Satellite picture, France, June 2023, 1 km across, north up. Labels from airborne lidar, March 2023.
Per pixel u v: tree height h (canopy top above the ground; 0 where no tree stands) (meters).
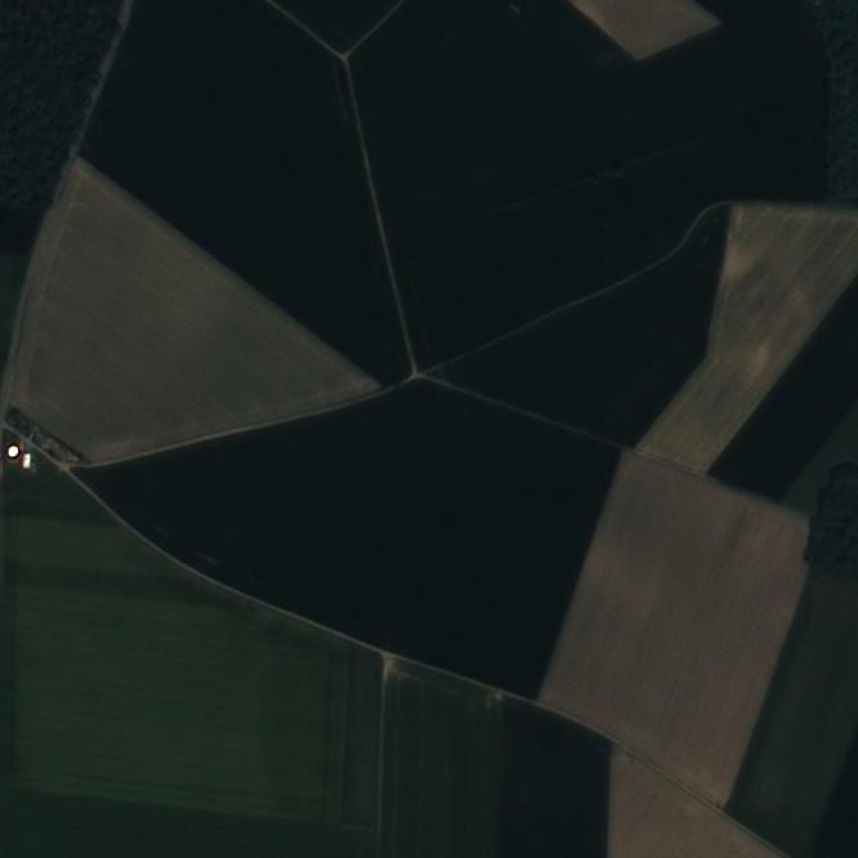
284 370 0
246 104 0
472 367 0
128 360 0
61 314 0
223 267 0
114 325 0
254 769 0
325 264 0
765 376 0
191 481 0
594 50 0
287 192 0
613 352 0
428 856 0
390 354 0
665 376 0
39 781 0
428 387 0
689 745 0
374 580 0
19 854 0
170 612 0
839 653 0
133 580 0
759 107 0
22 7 21
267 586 0
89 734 0
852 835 0
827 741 0
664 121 0
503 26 0
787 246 0
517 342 0
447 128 0
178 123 0
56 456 6
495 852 0
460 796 0
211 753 0
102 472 0
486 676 0
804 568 0
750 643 0
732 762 0
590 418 0
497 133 0
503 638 0
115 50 0
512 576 0
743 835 0
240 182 0
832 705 0
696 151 0
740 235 0
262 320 0
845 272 0
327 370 0
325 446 0
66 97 25
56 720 0
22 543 0
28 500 0
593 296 0
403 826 0
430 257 0
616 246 0
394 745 0
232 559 0
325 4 0
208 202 0
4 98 30
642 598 0
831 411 0
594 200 0
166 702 0
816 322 0
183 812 0
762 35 0
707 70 0
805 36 0
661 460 0
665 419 0
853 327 0
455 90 0
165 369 0
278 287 0
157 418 0
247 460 0
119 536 0
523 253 0
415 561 0
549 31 0
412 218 0
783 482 0
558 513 0
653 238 0
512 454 0
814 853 0
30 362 0
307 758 0
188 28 0
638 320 0
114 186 0
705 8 0
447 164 0
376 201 0
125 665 0
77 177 0
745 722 0
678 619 0
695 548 0
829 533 19
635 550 0
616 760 0
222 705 0
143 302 0
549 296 0
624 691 0
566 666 0
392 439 0
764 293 0
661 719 0
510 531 0
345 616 0
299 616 0
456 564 0
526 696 0
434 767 0
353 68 0
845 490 24
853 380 0
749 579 0
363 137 0
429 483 0
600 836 0
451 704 0
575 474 0
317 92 0
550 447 0
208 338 0
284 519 0
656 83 0
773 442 0
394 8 0
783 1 0
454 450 0
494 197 0
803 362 0
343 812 0
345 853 0
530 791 0
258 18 0
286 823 0
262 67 0
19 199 17
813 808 0
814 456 0
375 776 0
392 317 0
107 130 0
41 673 0
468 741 0
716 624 0
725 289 0
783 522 0
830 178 7
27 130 21
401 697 0
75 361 0
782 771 0
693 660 0
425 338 0
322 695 0
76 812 0
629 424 0
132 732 0
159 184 0
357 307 0
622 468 0
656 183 0
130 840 0
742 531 0
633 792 0
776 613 0
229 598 0
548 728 0
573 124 0
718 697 0
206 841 0
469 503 0
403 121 0
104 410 0
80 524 0
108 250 0
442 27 0
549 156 0
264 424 0
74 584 0
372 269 0
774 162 0
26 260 0
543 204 0
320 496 0
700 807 0
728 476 0
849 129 12
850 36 9
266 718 0
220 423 0
